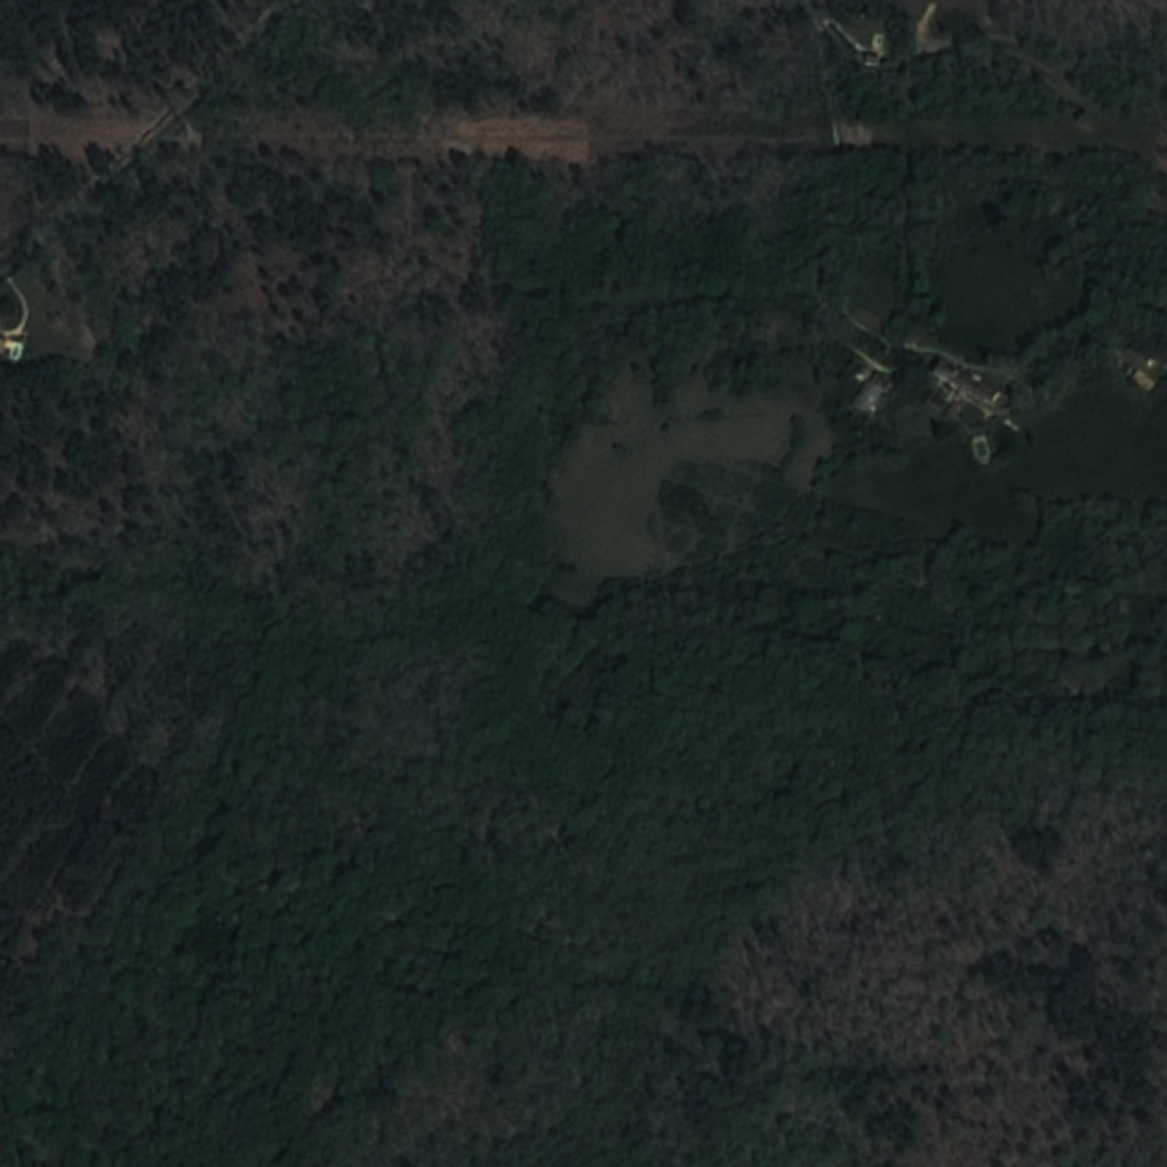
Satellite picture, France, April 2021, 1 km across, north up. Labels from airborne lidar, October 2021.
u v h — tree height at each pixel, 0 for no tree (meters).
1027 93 17
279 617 24
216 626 20
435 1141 12
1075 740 18
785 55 10
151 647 19
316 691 24
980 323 0
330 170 18
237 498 24
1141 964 17
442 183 15
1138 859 11
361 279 11
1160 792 24
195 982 8
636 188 20
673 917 21
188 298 24
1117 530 15
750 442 0
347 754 27
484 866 18
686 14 10
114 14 0
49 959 16
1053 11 18
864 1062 8
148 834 21
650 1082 14
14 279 9
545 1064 23
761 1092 12
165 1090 16
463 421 18
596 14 16
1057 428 0
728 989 12
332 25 15
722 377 16
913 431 0
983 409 0
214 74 14
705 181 17
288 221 22
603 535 0
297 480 19
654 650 20
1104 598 24
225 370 22
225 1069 7
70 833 9
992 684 16
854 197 18
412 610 20
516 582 21
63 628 16
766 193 15
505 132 0
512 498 21
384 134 7
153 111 0
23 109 16
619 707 21
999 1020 16
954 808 24
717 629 23
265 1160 23
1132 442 0
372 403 20
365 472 22
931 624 8
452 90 18
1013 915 16
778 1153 23
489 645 22
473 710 21
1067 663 20
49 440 26
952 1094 16
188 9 0
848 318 17
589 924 21
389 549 17
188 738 16
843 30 21
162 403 17
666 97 20
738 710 20
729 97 14
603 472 0
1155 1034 12
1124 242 21
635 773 23
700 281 22
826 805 19
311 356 17
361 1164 21
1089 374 12
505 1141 13
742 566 10
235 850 23
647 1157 20
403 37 17
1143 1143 14
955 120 10
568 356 23
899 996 12
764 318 10
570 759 23
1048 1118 7
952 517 0
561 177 16
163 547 23
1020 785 20
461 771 22
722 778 22
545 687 12
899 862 14
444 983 20
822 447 0
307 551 16
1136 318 18
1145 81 19
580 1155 22
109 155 0
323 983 20
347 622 24
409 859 20
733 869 25
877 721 22
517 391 21
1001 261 0
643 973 24
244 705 23
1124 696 12
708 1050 19
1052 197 12
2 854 19
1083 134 0
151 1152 18
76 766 10
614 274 26
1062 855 22
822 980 14
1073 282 10
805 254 18
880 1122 9
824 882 9
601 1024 27
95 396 22
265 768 24
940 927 8
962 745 22
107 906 16
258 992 21
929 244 22
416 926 23
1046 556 7
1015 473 0
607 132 0
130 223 20
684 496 7
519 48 15
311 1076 22
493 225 15
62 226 16
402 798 17
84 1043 24
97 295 19
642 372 11
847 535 6
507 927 22
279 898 19
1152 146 0
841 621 18
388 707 19
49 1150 24
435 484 13
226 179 22
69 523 17
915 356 6
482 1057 19
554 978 19
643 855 23
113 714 15
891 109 14
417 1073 21
